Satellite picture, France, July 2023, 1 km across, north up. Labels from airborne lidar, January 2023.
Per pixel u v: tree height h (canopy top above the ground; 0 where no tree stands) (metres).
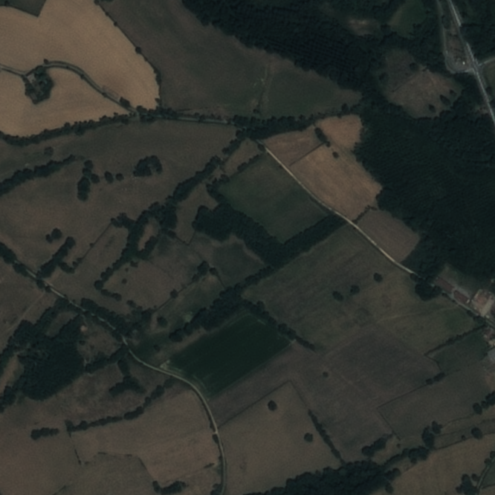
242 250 0
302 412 0
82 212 0
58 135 14
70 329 16
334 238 0
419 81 0
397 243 0
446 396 0
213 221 15
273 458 0
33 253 0
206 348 0
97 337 0
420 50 26
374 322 0
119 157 0
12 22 0
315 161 0
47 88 11
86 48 0
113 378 0
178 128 0
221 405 0
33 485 0
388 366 0
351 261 0
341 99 0
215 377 0
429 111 0
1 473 0
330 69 23
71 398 0
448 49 0
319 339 0
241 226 18
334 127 0
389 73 0
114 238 0
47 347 17
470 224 8
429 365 0
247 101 0
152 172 19
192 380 0
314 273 0
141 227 20
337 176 0
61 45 0
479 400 0
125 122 14
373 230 0
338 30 17
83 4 0
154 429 0
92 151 0
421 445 0
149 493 0
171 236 9
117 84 0
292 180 0
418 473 0
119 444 0
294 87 0
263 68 0
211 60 0
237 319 0
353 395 0
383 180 21
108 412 0
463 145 13
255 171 0
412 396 0
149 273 0
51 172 18
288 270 0
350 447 0
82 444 0
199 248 0
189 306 0
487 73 0
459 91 0
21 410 0
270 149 0
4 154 0
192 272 0
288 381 0
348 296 0
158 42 0
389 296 0
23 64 0
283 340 0
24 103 0
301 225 0
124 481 0
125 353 12
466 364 0
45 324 12
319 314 0
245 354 0
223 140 0
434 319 0
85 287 0
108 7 0
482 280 0
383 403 0
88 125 14
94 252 0
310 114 0
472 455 0
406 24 0
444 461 0
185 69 0
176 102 0
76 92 0
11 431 0
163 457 0
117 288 0
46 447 0
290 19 24
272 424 0
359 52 22
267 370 0
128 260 15
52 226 0
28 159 0
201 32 0
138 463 0
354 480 30
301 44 25
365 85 21
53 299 0
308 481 26
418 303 0
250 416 0
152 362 0
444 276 0
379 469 10
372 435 0
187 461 0
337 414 0
